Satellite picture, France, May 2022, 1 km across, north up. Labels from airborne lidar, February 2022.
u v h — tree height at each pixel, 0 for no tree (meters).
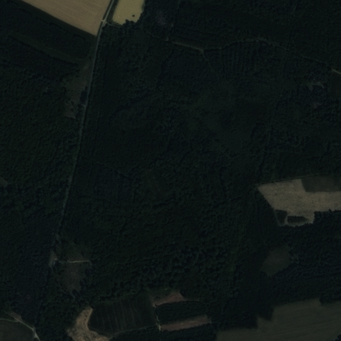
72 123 15
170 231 15
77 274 0
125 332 0
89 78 0
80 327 0
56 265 13
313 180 0
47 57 17
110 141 11
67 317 29
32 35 20
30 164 20
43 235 19
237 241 22
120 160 11
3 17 21
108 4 0
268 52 18
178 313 6
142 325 0
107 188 24
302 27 17
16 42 15
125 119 27
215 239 24
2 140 22
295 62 21
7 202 12
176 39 22
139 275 35
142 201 30
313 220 0
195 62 19
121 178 21
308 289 16
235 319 13
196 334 11
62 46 15
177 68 16
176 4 21
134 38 18
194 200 20
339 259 17
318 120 12
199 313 6
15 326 0
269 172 26
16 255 25
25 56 17
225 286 17
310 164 11
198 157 28
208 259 36
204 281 18
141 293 26
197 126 19
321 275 11
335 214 9
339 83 0
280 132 21
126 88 6
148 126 16
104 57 14
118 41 7
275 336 0
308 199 0
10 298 17
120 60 15
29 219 20
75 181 11
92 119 8
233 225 28
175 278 30
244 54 7
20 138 22
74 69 13
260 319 0
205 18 18
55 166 25
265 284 21
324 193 0
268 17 15
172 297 0
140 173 27
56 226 20
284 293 21
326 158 16
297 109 25
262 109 13
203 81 21
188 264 33
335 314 0
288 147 17
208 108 18
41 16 0
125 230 20
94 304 25
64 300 34
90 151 9
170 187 19
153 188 0
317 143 14
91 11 0
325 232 20
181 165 25
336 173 22
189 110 23
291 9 26
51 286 25
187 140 22
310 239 16
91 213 25
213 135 27
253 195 9
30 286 25
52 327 17
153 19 19
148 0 16
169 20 19
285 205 0
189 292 26
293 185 0
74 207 13
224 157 23
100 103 13
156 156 12
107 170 20
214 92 17
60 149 25
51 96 23
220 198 9
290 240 16
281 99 15
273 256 0
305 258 14
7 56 24
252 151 17
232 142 23
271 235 11
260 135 20
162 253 14
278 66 15
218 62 17
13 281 23
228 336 0
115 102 13
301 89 22
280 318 0
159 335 8
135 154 9
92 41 0
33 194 10
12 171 20
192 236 17
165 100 19
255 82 21
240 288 16
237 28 13
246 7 17
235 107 15
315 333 0
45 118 18
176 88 30
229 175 21
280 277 21
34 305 24
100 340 0
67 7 0
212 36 19
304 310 0
